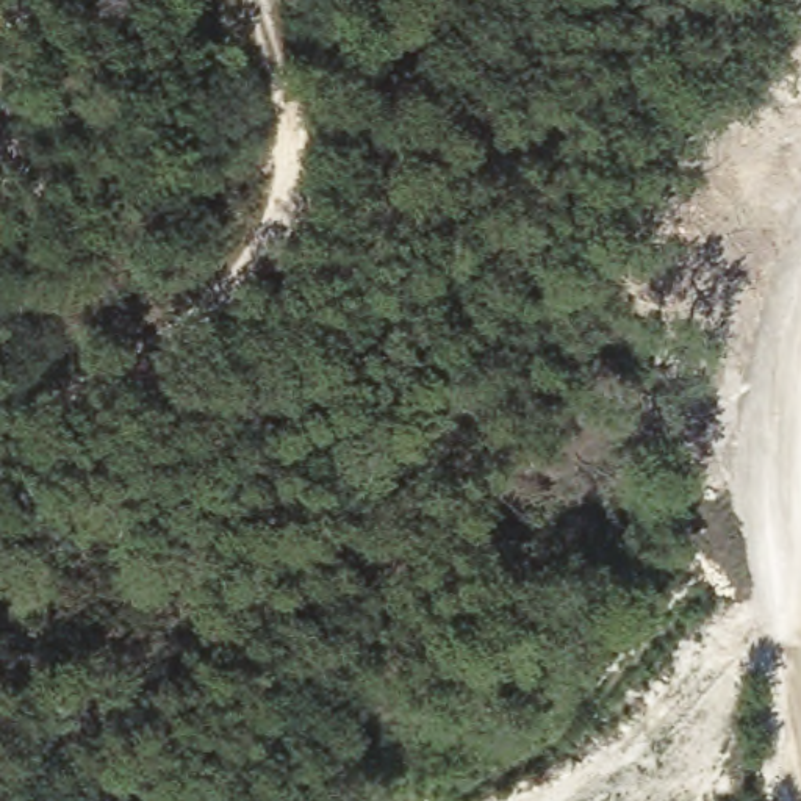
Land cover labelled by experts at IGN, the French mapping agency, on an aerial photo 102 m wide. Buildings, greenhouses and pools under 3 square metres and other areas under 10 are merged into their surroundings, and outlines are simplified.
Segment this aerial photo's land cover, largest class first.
<instances>
[{"label":"coniferous trees","instance_id":"1","mask_svg":"<svg viewBox=\"0 0 801 801\"><path fill-rule=\"evenodd\" d=\"M285 56L272 63L253 41L260 6L250 0H0V801H497L516 788V782L541 785L551 779V770L585 760L598 738L613 742L620 723L632 720V704L626 701V691H648L651 682H657L663 673H673L679 641H704V623L717 613V591L710 582H704L695 554H707L726 573L732 588H748L754 582L742 523L732 510V494L723 491V497L717 501H704V479L698 472L685 479L676 472H660L651 485L632 488L626 507L632 519L623 541L629 554L641 563L670 569L673 591L666 594L654 588L616 585L610 566H598L591 579L582 582L560 579L554 585H516L501 566V557L491 541V529L501 523L497 507L504 504V497H516L523 504L535 501V476L544 466L557 463L566 451V441L582 432L569 407L582 394V388H594L610 375L635 385L645 372H651L654 363V357H635V350L613 329L616 307L629 297L626 282L635 272V257L657 241L654 232L660 228V216L673 203V197L688 203L698 188L707 185V144L720 141V135L732 122L757 125L770 84L788 72H798L792 50L801 44V0H272ZM272 91H285V97L297 100L307 128L300 175L291 194L294 247L275 263L257 257L250 266L241 269V275H232V257L253 238L275 172L272 144L278 128V110L272 103ZM732 726L738 735L735 751L742 754L745 773L763 776V763L773 757L779 729L773 713V679L763 670H754L751 663L742 673L732 713Z\"/></svg>","mask_w":801,"mask_h":801},{"label":"pervious surface","instance_id":"2","mask_svg":"<svg viewBox=\"0 0 801 801\"><path fill-rule=\"evenodd\" d=\"M260 6L253 41L272 63L285 56L272 0H250ZM798 72H788L770 84L757 125L732 122L720 135V141L707 144V185L698 188L688 203L673 197V203L660 216V228L654 232L657 241L635 257V272L626 282L629 297L616 307L613 329L635 350V357H654V363H666L673 375H691L704 369L717 385L723 435L713 441L704 479V501H717L723 497V491L732 494V510L742 523L754 582L748 588H732L726 573L707 554H695L704 582H710L717 591V613L704 623V641H679L673 673H663L657 682H651L648 691H626V701L632 704V720L620 723L613 742L598 738L585 760L551 770V779L541 785L516 782V788L497 801H713L717 795L732 792L745 773L742 754L735 751L738 735L732 726V713L742 673L751 663L754 670H763L773 679V713L779 729L773 757L763 763V776L767 801H801V44L792 50ZM272 103L278 110V128L272 144L275 172L253 238L232 257V275H241V269L250 266L257 257L275 263L294 247L291 194L300 175L307 128L297 100L285 97V91H272Z\"/></svg>","mask_w":801,"mask_h":801},{"label":"herbaceous vegetation","instance_id":"3","mask_svg":"<svg viewBox=\"0 0 801 801\"><path fill-rule=\"evenodd\" d=\"M582 432L566 441V451L557 463L544 466L535 476V501L523 504L516 497H504V504L497 507L501 523L491 529V541L501 557V566L516 585H554L560 579L582 582L591 579L598 566H610L616 585L654 588L666 594L673 591L670 569L641 563L629 554L623 541L632 519L626 507L632 488L651 485L660 472H676L685 479L698 472L704 479L713 441L723 435L717 385L704 369L691 375H673L666 363H654L651 372H645L635 385L610 375L594 388H582V394L569 407ZM713 801H767L763 776L745 773L732 792L717 795Z\"/></svg>","mask_w":801,"mask_h":801}]
</instances>
